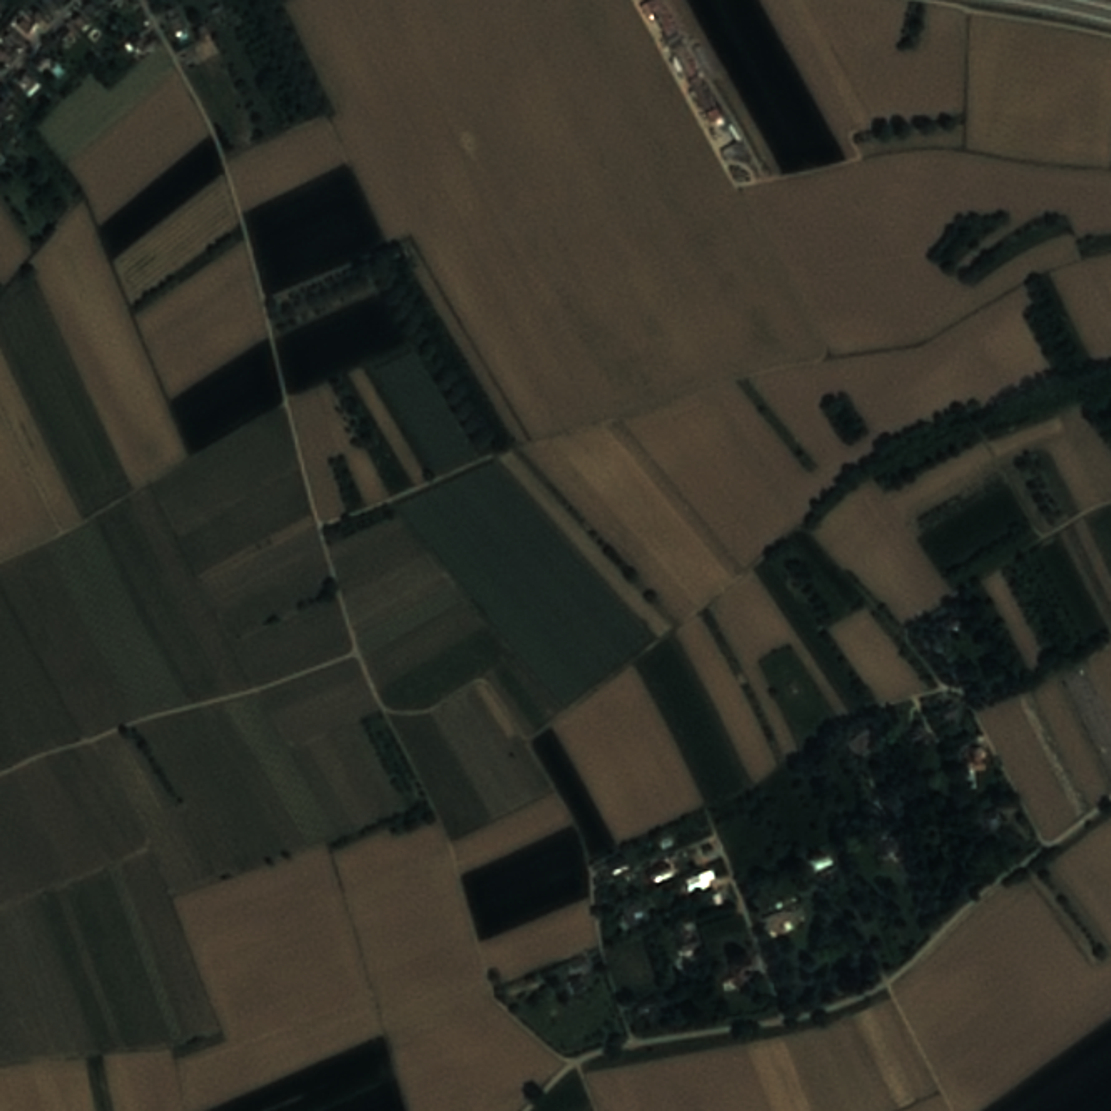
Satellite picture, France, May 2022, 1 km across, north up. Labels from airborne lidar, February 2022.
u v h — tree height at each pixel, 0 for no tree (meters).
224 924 0
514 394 0
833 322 0
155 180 0
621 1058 7
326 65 0
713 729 0
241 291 0
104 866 0
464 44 0
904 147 0
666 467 0
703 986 13
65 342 0
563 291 0
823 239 0
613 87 0
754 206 0
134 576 0
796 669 0
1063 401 19
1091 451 0
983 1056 0
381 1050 0
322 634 0
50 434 0
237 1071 0
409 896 0
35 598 0
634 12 0
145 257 0
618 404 0
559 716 0
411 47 0
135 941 0
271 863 9
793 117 0
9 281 0
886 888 20
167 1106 0
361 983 0
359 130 0
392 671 0
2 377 0
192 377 0
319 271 0
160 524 0
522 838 0
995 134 0
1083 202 0
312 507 0
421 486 0
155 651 0
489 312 0
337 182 0
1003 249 6
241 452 0
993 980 0
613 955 0
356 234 0
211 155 0
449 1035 0
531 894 0
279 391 0
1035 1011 0
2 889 0
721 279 0
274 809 0
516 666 0
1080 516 0
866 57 0
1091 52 0
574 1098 0
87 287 0
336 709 0
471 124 0
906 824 29
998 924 0
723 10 0
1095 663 0
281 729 0
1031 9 0
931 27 0
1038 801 0
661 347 0
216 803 0
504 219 0
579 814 0
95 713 0
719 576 0
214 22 0
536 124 0
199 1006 0
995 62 0
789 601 0
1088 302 0
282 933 0
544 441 0
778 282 0
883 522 0
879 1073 0
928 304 0
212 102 0
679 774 0
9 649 0
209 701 0
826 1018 11
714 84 0
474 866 0
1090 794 0
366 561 0
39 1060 0
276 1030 0
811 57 0
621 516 0
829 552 0
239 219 0
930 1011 0
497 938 0
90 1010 0
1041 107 0
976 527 0
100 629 0
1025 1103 0
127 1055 0
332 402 0
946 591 0
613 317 0
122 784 0
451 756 0
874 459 11
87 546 0
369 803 0
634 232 0
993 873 11
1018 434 0
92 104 0
